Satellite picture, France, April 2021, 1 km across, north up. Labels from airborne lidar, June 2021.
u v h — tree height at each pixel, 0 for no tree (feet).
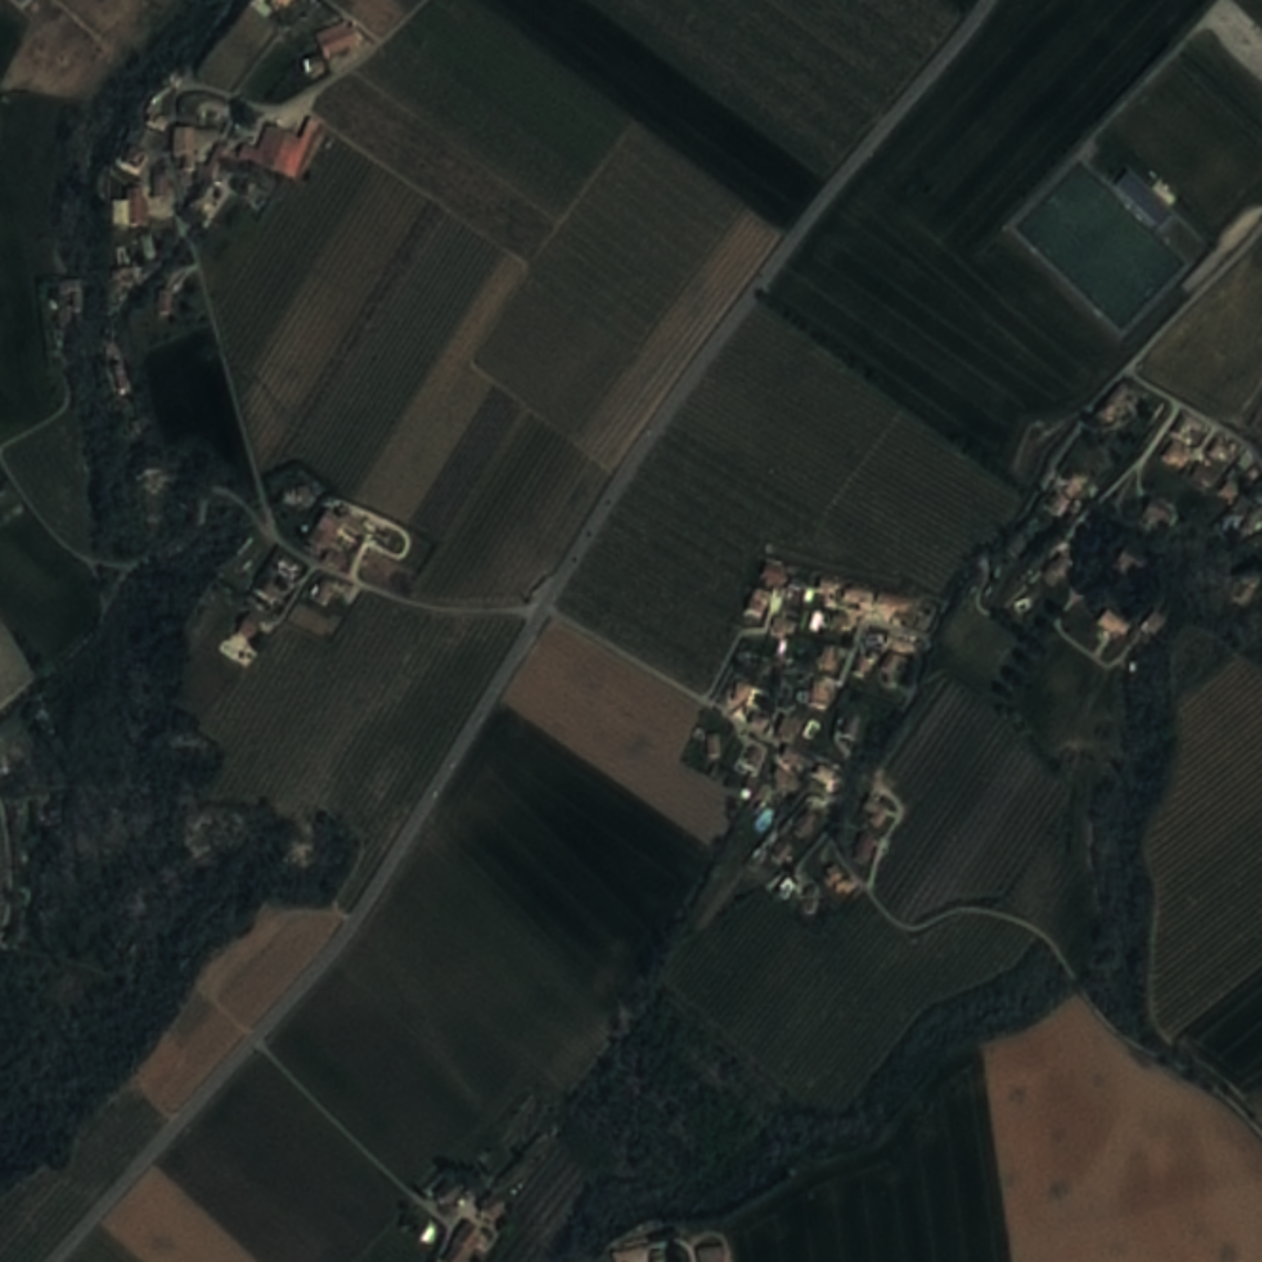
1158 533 29
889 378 0
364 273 0
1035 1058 0
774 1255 0
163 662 30
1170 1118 0
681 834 0
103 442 41
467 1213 0
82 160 41
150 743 41
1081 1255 0
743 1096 22
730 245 0
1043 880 0
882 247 0
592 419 0
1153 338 0
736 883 0
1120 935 32
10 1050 29
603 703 0
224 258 0
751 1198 25
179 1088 0
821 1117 24
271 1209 0
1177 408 0
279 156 0
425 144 20
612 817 0
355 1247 0
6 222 0
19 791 74
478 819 0
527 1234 0
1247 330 0
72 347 56
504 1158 0
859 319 0
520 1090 0
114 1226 0
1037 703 0
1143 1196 0
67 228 44
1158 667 40
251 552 0
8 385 0
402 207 0
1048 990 26
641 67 0
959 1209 0
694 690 0
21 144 0
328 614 0
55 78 0
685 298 0
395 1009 0
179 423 0
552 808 0
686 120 0
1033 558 31
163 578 26
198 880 21
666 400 0
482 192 18
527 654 0
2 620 0
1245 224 0
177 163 24
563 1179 0
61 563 0
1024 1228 0
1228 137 0
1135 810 37
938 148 0
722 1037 21
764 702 34
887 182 0
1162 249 0
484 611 0
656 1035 25
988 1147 0
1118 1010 42
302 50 24
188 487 33
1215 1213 0
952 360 0
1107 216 0
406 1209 32
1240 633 28
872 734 19
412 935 0
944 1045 21
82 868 87
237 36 0
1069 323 0
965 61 0
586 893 0
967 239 0
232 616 0
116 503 59
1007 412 0
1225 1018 0
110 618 34
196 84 0
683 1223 22
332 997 0
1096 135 0
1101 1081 0
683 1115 20
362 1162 0
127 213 0
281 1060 0
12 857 20
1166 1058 35
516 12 0
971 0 0
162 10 0
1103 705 0
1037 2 0
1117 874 24
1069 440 0
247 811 25
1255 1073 0
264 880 39
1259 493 32
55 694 26
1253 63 0
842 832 29
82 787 73
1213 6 0
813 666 30
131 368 26
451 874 0
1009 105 0
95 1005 41
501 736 0
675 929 31
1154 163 0
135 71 33
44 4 0
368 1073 0
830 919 36
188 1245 0
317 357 0
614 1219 22
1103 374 0
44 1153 27
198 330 0
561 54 0
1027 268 0
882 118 0
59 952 77
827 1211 0
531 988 0
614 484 0
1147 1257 0
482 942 0
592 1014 0
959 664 0
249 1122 0
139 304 37
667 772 0
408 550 0
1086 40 0
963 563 26
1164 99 0
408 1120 0
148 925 49
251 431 0
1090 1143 0
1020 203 0
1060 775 43
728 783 18
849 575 0
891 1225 0
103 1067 20
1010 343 0
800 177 0
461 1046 0
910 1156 0
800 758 0
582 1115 26
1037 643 28
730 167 0
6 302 0
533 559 0
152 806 50
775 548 0
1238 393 0
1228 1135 0
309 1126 0
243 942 0
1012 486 41
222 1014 0
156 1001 19
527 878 0
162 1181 0
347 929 0
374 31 0
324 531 0
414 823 0
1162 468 0
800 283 0
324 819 37
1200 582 53
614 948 0
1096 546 54
